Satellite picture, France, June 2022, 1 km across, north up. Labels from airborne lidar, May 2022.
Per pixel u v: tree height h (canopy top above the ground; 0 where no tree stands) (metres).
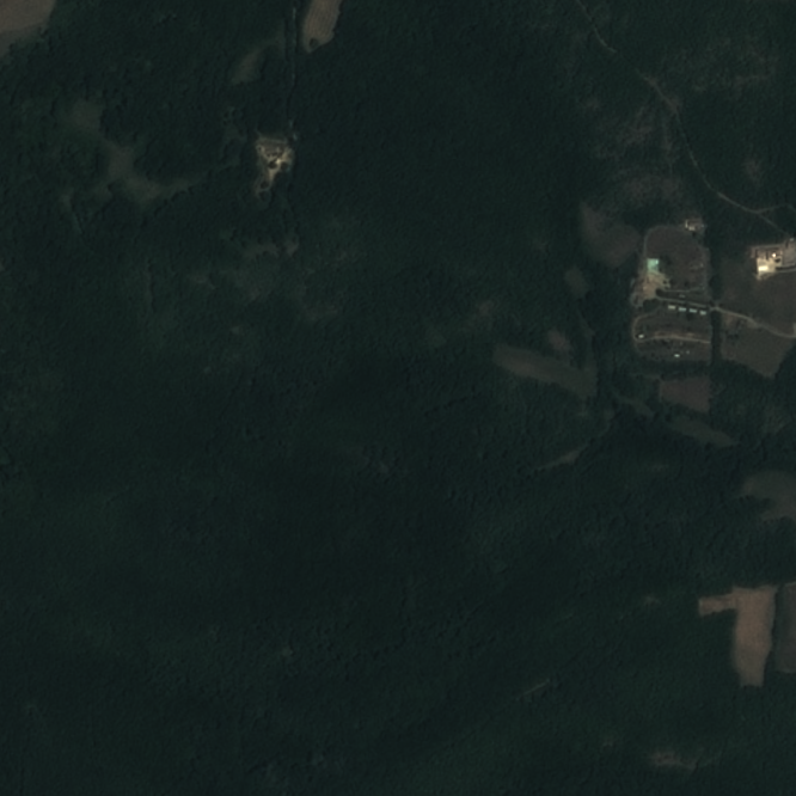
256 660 14
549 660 11
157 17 19
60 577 13
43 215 23
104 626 7
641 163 6
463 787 7
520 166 18
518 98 27
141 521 13
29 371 19
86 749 10
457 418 19
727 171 9
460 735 12
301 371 14
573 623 9
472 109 15
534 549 24
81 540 8
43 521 10
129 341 9
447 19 24
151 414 12
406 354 19
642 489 7
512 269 8
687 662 11
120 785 14
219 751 19
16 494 14
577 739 10
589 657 14
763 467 12
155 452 11
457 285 8
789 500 0
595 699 13
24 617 10
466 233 14
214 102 19
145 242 14
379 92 19
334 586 12
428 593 11
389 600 7
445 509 17
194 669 18
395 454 8
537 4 6
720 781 13
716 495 10
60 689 11
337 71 15
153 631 12
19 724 10
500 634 15
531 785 15
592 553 16
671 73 8
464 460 19
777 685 12
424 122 15
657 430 30
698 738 7
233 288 9
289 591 14
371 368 11
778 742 11
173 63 19
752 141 7
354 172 21
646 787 17
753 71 6
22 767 14
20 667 11
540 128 19
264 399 21
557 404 8
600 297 18
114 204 16
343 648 11
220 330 14
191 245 17
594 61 10
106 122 19
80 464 14
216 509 17
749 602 0
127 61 23
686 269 0
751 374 9
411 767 10
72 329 11
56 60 20
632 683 11
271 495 11
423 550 10
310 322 7
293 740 9
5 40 0
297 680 20
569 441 11
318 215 10
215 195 17
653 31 9
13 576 13
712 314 9
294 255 9
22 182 16
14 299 13
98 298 10
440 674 23
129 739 12
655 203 7
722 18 6
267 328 9
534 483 23
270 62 17
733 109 11
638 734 7
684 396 0
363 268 12
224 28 13
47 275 21
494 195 18
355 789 17
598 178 9
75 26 13
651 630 12
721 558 11
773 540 11
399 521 11
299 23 12
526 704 14
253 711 21
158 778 8
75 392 18
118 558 10
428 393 19
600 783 17
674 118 7
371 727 22
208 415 14
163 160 12
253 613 13
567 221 16
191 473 9
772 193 8
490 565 21
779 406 8
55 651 10
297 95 19
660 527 13
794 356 10
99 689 10
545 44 14
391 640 8
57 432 13
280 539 11
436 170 19
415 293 16
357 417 9
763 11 7
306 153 21
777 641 7
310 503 17
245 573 13
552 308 10
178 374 7
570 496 9
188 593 14
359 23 16
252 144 9
